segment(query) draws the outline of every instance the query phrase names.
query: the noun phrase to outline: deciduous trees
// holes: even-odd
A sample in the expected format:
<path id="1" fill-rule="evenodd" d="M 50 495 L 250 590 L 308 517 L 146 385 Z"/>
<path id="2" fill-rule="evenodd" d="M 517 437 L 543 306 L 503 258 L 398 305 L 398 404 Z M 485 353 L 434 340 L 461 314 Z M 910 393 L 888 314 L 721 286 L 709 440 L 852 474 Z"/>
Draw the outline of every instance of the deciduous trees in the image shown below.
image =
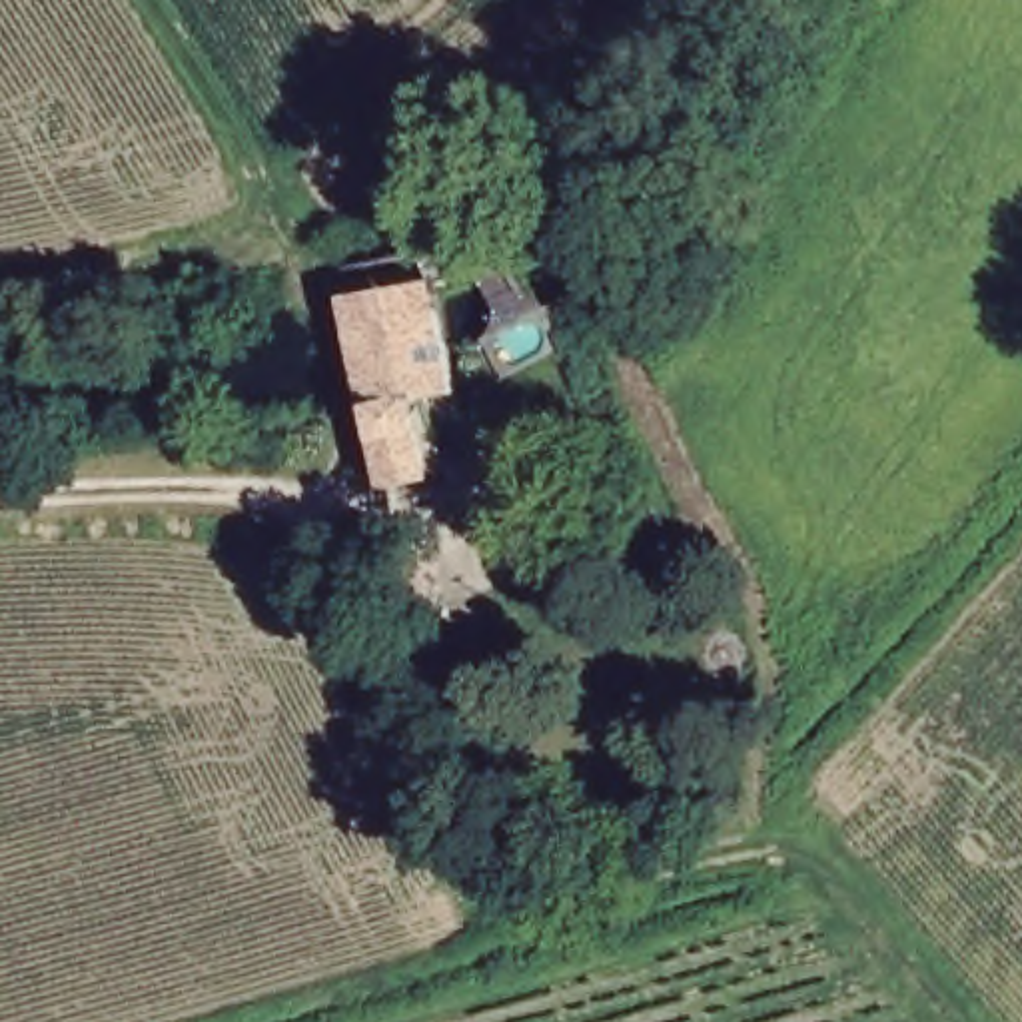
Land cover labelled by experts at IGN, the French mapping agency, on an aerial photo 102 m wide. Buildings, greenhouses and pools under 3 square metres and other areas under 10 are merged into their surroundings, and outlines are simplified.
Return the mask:
<path id="1" fill-rule="evenodd" d="M 403 267 L 419 267 L 423 256 L 431 259 L 431 267 L 443 279 L 439 303 L 443 307 L 475 287 L 479 279 L 523 279 L 531 287 L 531 271 L 551 271 L 567 283 L 563 303 L 547 311 L 547 331 L 539 335 L 539 351 L 551 359 L 571 359 L 571 399 L 579 419 L 563 423 L 555 415 L 515 415 L 503 427 L 503 435 L 495 427 L 475 431 L 475 455 L 487 467 L 487 475 L 471 487 L 471 499 L 483 511 L 475 515 L 463 539 L 479 551 L 479 563 L 487 571 L 495 563 L 511 563 L 515 579 L 535 579 L 551 599 L 547 607 L 535 607 L 543 623 L 555 635 L 575 639 L 591 659 L 611 651 L 631 655 L 643 635 L 707 635 L 719 631 L 743 603 L 743 575 L 715 539 L 711 547 L 683 551 L 675 543 L 659 543 L 663 583 L 647 591 L 647 583 L 627 567 L 627 543 L 635 527 L 651 519 L 651 511 L 663 503 L 667 487 L 651 447 L 631 431 L 615 379 L 615 367 L 623 359 L 635 359 L 651 379 L 667 355 L 691 351 L 715 331 L 723 299 L 739 295 L 735 263 L 743 263 L 767 240 L 774 224 L 774 200 L 763 180 L 763 140 L 767 128 L 790 116 L 794 104 L 818 100 L 818 80 L 826 72 L 810 60 L 810 52 L 818 48 L 818 36 L 826 32 L 838 0 L 643 0 L 643 16 L 631 28 L 627 48 L 599 48 L 575 64 L 535 68 L 531 88 L 523 96 L 499 80 L 455 76 L 455 68 L 439 64 L 399 84 L 391 96 L 395 128 L 387 136 L 387 180 L 375 196 L 375 212 L 363 220 L 347 216 L 331 224 L 323 236 L 315 236 L 335 263 L 391 236 L 391 252 L 407 252 Z"/>
<path id="2" fill-rule="evenodd" d="M 283 615 L 279 635 L 307 639 L 307 659 L 323 683 L 351 679 L 375 691 L 379 703 L 367 715 L 359 715 L 355 731 L 363 739 L 367 774 L 387 778 L 387 786 L 395 790 L 395 822 L 383 846 L 395 854 L 399 870 L 431 870 L 455 894 L 459 918 L 471 910 L 491 922 L 531 922 L 559 950 L 591 942 L 599 934 L 623 942 L 627 922 L 651 914 L 659 902 L 659 886 L 647 882 L 647 874 L 663 870 L 667 878 L 675 878 L 699 858 L 707 838 L 719 830 L 715 802 L 743 798 L 743 755 L 751 747 L 767 751 L 767 739 L 778 739 L 786 731 L 790 687 L 778 671 L 774 695 L 763 695 L 755 687 L 743 703 L 695 699 L 683 683 L 651 675 L 627 699 L 627 711 L 611 723 L 607 735 L 607 751 L 639 782 L 635 802 L 615 806 L 587 794 L 567 755 L 531 755 L 527 774 L 487 774 L 467 767 L 467 747 L 527 751 L 547 731 L 575 727 L 583 703 L 583 667 L 563 659 L 531 663 L 515 647 L 511 655 L 487 663 L 455 667 L 447 687 L 431 687 L 415 667 L 415 651 L 439 639 L 443 619 L 411 587 L 419 559 L 411 555 L 411 547 L 423 543 L 419 519 L 427 511 L 411 499 L 407 511 L 387 515 L 359 515 L 347 507 L 335 511 L 327 523 L 303 523 L 291 535 L 271 559 L 271 607 Z"/>
<path id="3" fill-rule="evenodd" d="M 172 467 L 180 467 L 184 475 L 252 471 L 283 479 L 303 479 L 303 471 L 335 467 L 339 447 L 331 435 L 331 415 L 323 407 L 311 407 L 303 399 L 240 403 L 224 383 L 228 363 L 244 359 L 256 343 L 267 339 L 271 319 L 287 303 L 283 271 L 275 263 L 236 267 L 220 259 L 216 271 L 180 267 L 168 283 L 132 279 L 128 271 L 48 271 L 44 279 L 8 279 L 0 287 L 0 507 L 36 511 L 40 503 L 76 475 L 84 459 L 148 447 Z"/>

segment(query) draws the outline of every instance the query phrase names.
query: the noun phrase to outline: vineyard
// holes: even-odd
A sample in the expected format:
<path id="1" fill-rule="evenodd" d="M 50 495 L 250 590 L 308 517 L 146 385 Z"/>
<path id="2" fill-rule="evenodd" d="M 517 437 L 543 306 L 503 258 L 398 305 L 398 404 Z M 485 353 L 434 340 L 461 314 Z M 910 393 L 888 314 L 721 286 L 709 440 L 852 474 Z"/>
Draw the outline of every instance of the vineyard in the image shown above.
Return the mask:
<path id="1" fill-rule="evenodd" d="M 814 946 L 818 926 L 806 918 L 782 918 L 778 926 L 763 922 L 751 930 L 695 942 L 687 950 L 667 950 L 651 966 L 575 974 L 555 990 L 539 986 L 531 994 L 511 994 L 499 1002 L 471 1002 L 467 1018 L 447 1022 L 878 1022 L 874 1010 L 886 1002 L 886 990 L 862 990 L 858 982 L 850 982 L 842 998 L 834 998 L 822 974 L 834 970 L 834 958 Z"/>

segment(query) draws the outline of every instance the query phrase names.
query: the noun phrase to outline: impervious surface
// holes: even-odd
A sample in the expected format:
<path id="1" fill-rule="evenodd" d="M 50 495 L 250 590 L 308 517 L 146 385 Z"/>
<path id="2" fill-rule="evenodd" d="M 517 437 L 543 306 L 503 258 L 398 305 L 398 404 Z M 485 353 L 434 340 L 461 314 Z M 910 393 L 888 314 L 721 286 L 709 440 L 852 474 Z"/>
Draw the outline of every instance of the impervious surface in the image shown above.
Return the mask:
<path id="1" fill-rule="evenodd" d="M 523 279 L 479 279 L 475 287 L 487 299 L 491 331 L 511 327 L 519 319 L 535 319 L 547 331 L 547 311 L 531 287 Z"/>

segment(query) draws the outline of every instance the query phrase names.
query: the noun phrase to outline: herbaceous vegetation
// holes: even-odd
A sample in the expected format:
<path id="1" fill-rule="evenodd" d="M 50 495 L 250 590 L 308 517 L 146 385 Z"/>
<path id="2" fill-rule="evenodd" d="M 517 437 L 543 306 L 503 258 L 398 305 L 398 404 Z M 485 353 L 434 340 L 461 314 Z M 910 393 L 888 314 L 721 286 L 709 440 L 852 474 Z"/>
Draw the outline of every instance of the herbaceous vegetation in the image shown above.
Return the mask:
<path id="1" fill-rule="evenodd" d="M 515 415 L 555 415 L 563 423 L 579 419 L 571 399 L 571 359 L 551 359 L 539 351 L 531 359 L 499 363 L 491 331 L 487 299 L 475 287 L 443 307 L 451 391 L 431 403 L 427 467 L 423 479 L 407 487 L 411 499 L 427 511 L 463 539 L 475 515 L 483 511 L 471 499 L 471 487 L 487 475 L 487 467 L 475 455 L 475 431 L 495 427 L 503 435 L 503 427 Z"/>
<path id="2" fill-rule="evenodd" d="M 172 467 L 148 447 L 84 459 L 76 475 L 168 475 Z"/>
<path id="3" fill-rule="evenodd" d="M 212 551 L 224 511 L 200 503 L 120 503 L 48 511 L 40 503 L 36 511 L 0 507 L 0 543 L 204 543 Z"/>
<path id="4" fill-rule="evenodd" d="M 567 283 L 551 271 L 531 271 L 531 287 L 547 311 L 563 303 Z"/>
<path id="5" fill-rule="evenodd" d="M 355 431 L 355 391 L 343 371 L 331 299 L 343 291 L 419 279 L 427 295 L 439 303 L 443 279 L 431 267 L 431 259 L 423 256 L 419 267 L 403 267 L 407 252 L 391 252 L 391 236 L 335 263 L 315 236 L 323 236 L 331 224 L 347 216 L 331 200 L 323 200 L 303 172 L 287 188 L 271 188 L 263 160 L 228 160 L 228 208 L 216 216 L 204 216 L 172 232 L 156 232 L 148 240 L 124 240 L 116 248 L 76 244 L 68 252 L 0 252 L 0 287 L 8 279 L 44 279 L 48 271 L 128 271 L 132 279 L 168 283 L 180 267 L 216 271 L 220 259 L 236 267 L 275 263 L 283 271 L 287 303 L 271 319 L 267 339 L 256 343 L 244 359 L 228 363 L 224 383 L 240 403 L 303 399 L 311 407 L 323 407 L 331 415 L 331 435 L 339 447 L 335 467 L 355 495 L 371 483 L 363 443 Z"/>
<path id="6" fill-rule="evenodd" d="M 635 527 L 627 543 L 627 567 L 647 583 L 647 591 L 663 583 L 659 543 L 675 543 L 683 551 L 711 547 L 715 539 L 707 527 L 679 519 L 675 491 L 667 487 L 663 503 L 651 511 L 651 519 Z"/>
<path id="7" fill-rule="evenodd" d="M 1022 555 L 1022 435 L 1010 451 L 994 459 L 994 471 L 978 483 L 974 499 L 950 519 L 950 527 L 930 535 L 906 559 L 874 559 L 870 567 L 846 563 L 842 575 L 822 571 L 810 559 L 790 559 L 786 551 L 755 559 L 763 591 L 763 639 L 770 643 L 778 671 L 790 687 L 786 731 L 778 739 L 767 739 L 767 751 L 751 747 L 743 755 L 743 798 L 715 802 L 719 830 L 707 838 L 699 858 L 675 878 L 667 878 L 663 870 L 647 874 L 647 882 L 659 886 L 659 902 L 651 914 L 627 922 L 623 942 L 599 934 L 591 942 L 559 950 L 531 922 L 491 922 L 471 910 L 459 918 L 459 926 L 427 950 L 347 970 L 335 978 L 319 978 L 295 990 L 279 990 L 244 1006 L 224 1006 L 216 1014 L 188 1022 L 447 1022 L 467 1018 L 471 1002 L 499 1002 L 511 994 L 531 994 L 539 986 L 555 990 L 575 974 L 651 966 L 667 950 L 687 950 L 695 942 L 751 930 L 763 922 L 778 926 L 782 918 L 806 918 L 818 926 L 814 946 L 834 958 L 834 970 L 822 974 L 834 998 L 842 998 L 850 982 L 858 982 L 862 990 L 886 990 L 886 1002 L 874 1010 L 878 1022 L 1006 1022 L 1002 1010 L 986 1006 L 982 994 L 950 966 L 946 950 L 930 942 L 926 926 L 894 902 L 878 874 L 846 846 L 846 838 L 834 826 L 834 814 L 818 802 L 814 774 L 870 719 L 874 703 L 902 679 L 902 671 L 926 651 L 934 651 L 934 643 L 970 607 L 970 595 L 990 587 Z"/>
<path id="8" fill-rule="evenodd" d="M 487 663 L 511 655 L 515 647 L 531 663 L 563 659 L 583 667 L 583 703 L 575 727 L 547 731 L 527 751 L 467 747 L 467 767 L 487 774 L 527 774 L 531 755 L 567 755 L 587 794 L 615 806 L 635 802 L 639 782 L 607 751 L 607 735 L 611 723 L 627 711 L 627 699 L 651 675 L 683 683 L 695 699 L 743 703 L 755 687 L 735 667 L 707 671 L 699 663 L 707 635 L 643 635 L 631 655 L 611 651 L 591 659 L 575 639 L 555 635 L 543 623 L 535 607 L 547 607 L 551 599 L 535 579 L 515 579 L 511 563 L 495 563 L 487 571 L 491 587 L 467 599 L 463 611 L 443 619 L 439 639 L 415 651 L 415 667 L 431 687 L 447 687 L 455 667 Z"/>

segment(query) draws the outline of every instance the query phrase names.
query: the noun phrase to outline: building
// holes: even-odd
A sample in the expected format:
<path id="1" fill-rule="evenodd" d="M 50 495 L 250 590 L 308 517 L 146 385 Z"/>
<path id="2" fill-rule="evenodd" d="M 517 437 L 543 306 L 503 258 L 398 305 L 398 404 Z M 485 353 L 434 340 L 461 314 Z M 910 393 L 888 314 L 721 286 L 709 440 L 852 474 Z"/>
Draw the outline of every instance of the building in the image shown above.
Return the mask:
<path id="1" fill-rule="evenodd" d="M 363 443 L 371 483 L 379 491 L 407 487 L 423 479 L 427 467 L 431 403 L 451 391 L 443 307 L 439 303 L 427 295 L 419 279 L 343 291 L 331 299 L 343 371 L 355 391 L 355 431 Z"/>

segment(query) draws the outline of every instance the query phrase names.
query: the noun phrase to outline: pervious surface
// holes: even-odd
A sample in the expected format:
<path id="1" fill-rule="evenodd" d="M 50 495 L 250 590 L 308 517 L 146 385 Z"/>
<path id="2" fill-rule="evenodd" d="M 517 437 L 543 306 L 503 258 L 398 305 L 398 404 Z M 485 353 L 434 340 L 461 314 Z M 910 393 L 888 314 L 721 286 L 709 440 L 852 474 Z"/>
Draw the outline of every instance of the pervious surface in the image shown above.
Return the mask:
<path id="1" fill-rule="evenodd" d="M 479 551 L 463 539 L 427 511 L 419 519 L 423 543 L 411 547 L 411 555 L 419 559 L 411 587 L 443 619 L 463 611 L 467 599 L 491 587 L 487 571 L 479 563 Z"/>
<path id="2" fill-rule="evenodd" d="M 651 379 L 635 359 L 623 359 L 615 367 L 615 379 L 631 431 L 651 447 L 667 487 L 675 491 L 679 519 L 707 527 L 715 539 L 743 575 L 743 603 L 719 631 L 707 635 L 699 663 L 707 671 L 735 667 L 755 687 L 763 695 L 774 695 L 778 671 L 770 643 L 763 639 L 763 591 L 755 559 L 727 523 L 727 515 L 715 507 L 715 499 L 703 491 L 675 407 L 651 387 Z"/>
<path id="3" fill-rule="evenodd" d="M 359 515 L 387 515 L 407 511 L 411 499 L 407 487 L 379 491 L 371 483 L 355 495 L 335 467 L 303 471 L 303 479 L 283 479 L 252 471 L 184 475 L 180 467 L 172 467 L 168 475 L 76 475 L 40 503 L 48 511 L 120 503 L 200 503 L 224 511 L 244 503 L 267 531 L 291 535 L 303 523 L 327 523 L 335 511 L 347 507 Z"/>

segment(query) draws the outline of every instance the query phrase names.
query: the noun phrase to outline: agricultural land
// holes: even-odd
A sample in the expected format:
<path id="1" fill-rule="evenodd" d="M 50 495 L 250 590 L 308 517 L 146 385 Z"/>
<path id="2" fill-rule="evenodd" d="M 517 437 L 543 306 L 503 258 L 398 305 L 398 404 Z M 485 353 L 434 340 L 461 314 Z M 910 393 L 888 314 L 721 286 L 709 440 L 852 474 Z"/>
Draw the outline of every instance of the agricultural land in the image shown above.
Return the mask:
<path id="1" fill-rule="evenodd" d="M 810 60 L 826 72 L 818 80 L 818 100 L 794 104 L 790 116 L 767 128 L 763 140 L 763 180 L 774 200 L 774 224 L 767 240 L 743 263 L 735 263 L 739 295 L 723 299 L 715 331 L 691 351 L 667 355 L 651 379 L 651 387 L 675 407 L 703 491 L 715 499 L 715 507 L 727 515 L 727 523 L 755 559 L 786 551 L 790 559 L 810 559 L 822 571 L 842 575 L 846 563 L 870 567 L 874 559 L 906 559 L 930 535 L 950 527 L 950 519 L 974 499 L 978 483 L 994 471 L 994 459 L 1010 451 L 1022 435 L 1022 0 L 838 0 L 826 32 L 818 36 L 818 48 L 810 52 Z"/>
<path id="2" fill-rule="evenodd" d="M 172 232 L 204 216 L 216 216 L 228 208 L 228 160 L 263 160 L 271 188 L 287 188 L 303 172 L 323 200 L 331 200 L 347 216 L 363 220 L 375 212 L 375 196 L 387 180 L 387 136 L 395 128 L 391 96 L 399 84 L 439 64 L 455 68 L 455 76 L 499 80 L 523 96 L 531 88 L 535 68 L 575 64 L 599 48 L 627 48 L 631 28 L 643 16 L 643 0 L 0 0 L 0 252 L 68 252 L 76 244 L 116 248 L 124 240 L 148 240 L 156 232 Z"/>
<path id="3" fill-rule="evenodd" d="M 990 587 L 970 595 L 970 607 L 934 643 L 934 651 L 926 651 L 902 671 L 902 679 L 874 703 L 870 719 L 814 774 L 818 802 L 834 814 L 834 826 L 846 838 L 846 846 L 878 874 L 894 902 L 926 926 L 930 942 L 946 950 L 950 966 L 982 994 L 986 1006 L 1002 1010 L 1006 1022 L 1022 1022 L 1022 555 Z"/>
<path id="4" fill-rule="evenodd" d="M 271 607 L 271 559 L 291 535 L 267 531 L 244 503 L 224 511 L 212 551 L 204 543 L 0 543 L 0 1022 L 188 1022 L 216 1014 L 224 1006 L 244 1006 L 279 990 L 295 990 L 319 978 L 335 978 L 347 970 L 427 950 L 459 926 L 459 918 L 455 894 L 431 870 L 399 870 L 395 854 L 383 846 L 395 822 L 395 790 L 387 786 L 387 778 L 367 774 L 363 739 L 355 731 L 359 715 L 367 715 L 379 703 L 375 691 L 351 679 L 323 683 L 307 659 L 307 639 L 279 635 L 283 615 Z"/>

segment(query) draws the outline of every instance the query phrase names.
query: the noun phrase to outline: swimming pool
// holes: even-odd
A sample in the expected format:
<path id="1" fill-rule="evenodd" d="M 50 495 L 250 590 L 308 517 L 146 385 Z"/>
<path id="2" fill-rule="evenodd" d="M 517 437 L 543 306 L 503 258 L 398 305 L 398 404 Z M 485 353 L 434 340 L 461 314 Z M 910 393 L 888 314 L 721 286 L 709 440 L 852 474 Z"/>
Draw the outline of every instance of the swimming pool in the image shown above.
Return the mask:
<path id="1" fill-rule="evenodd" d="M 511 327 L 491 331 L 499 363 L 531 359 L 539 351 L 539 335 L 547 331 L 535 319 L 519 319 Z"/>

